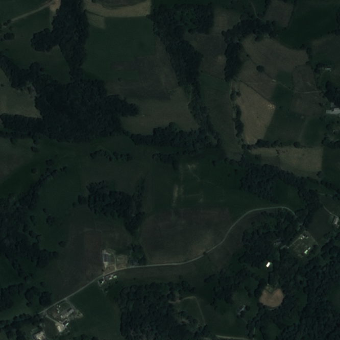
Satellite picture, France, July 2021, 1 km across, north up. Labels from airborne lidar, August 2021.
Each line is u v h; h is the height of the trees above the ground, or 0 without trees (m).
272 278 25
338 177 0
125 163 0
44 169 0
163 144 18
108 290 7
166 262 0
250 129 0
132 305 23
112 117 24
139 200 12
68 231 0
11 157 0
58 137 26
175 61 13
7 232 22
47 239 0
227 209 0
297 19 0
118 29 0
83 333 0
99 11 0
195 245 0
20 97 0
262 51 0
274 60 0
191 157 0
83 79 19
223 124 0
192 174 0
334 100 17
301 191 22
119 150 0
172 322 24
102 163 0
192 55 20
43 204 0
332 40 0
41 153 0
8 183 0
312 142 0
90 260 0
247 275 20
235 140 0
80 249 0
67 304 0
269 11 0
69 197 0
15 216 25
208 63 0
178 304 0
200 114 14
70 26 23
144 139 20
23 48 0
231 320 0
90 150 0
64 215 0
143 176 0
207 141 19
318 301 16
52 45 23
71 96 23
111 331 0
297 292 18
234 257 11
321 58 0
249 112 0
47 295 24
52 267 0
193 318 11
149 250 0
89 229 0
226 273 13
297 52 0
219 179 0
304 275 14
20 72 30
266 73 0
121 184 0
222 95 0
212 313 0
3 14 0
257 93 0
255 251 19
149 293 12
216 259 0
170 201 0
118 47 0
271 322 19
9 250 23
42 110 23
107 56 0
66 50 17
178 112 0
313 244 0
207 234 0
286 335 10
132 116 25
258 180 13
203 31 21
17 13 0
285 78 0
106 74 0
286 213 9
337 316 24
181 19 11
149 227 0
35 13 0
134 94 0
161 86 0
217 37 0
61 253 0
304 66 0
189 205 0
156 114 0
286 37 0
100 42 0
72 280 0
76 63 23
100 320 0
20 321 20
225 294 20
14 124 22
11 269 0
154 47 0
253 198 0
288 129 0
